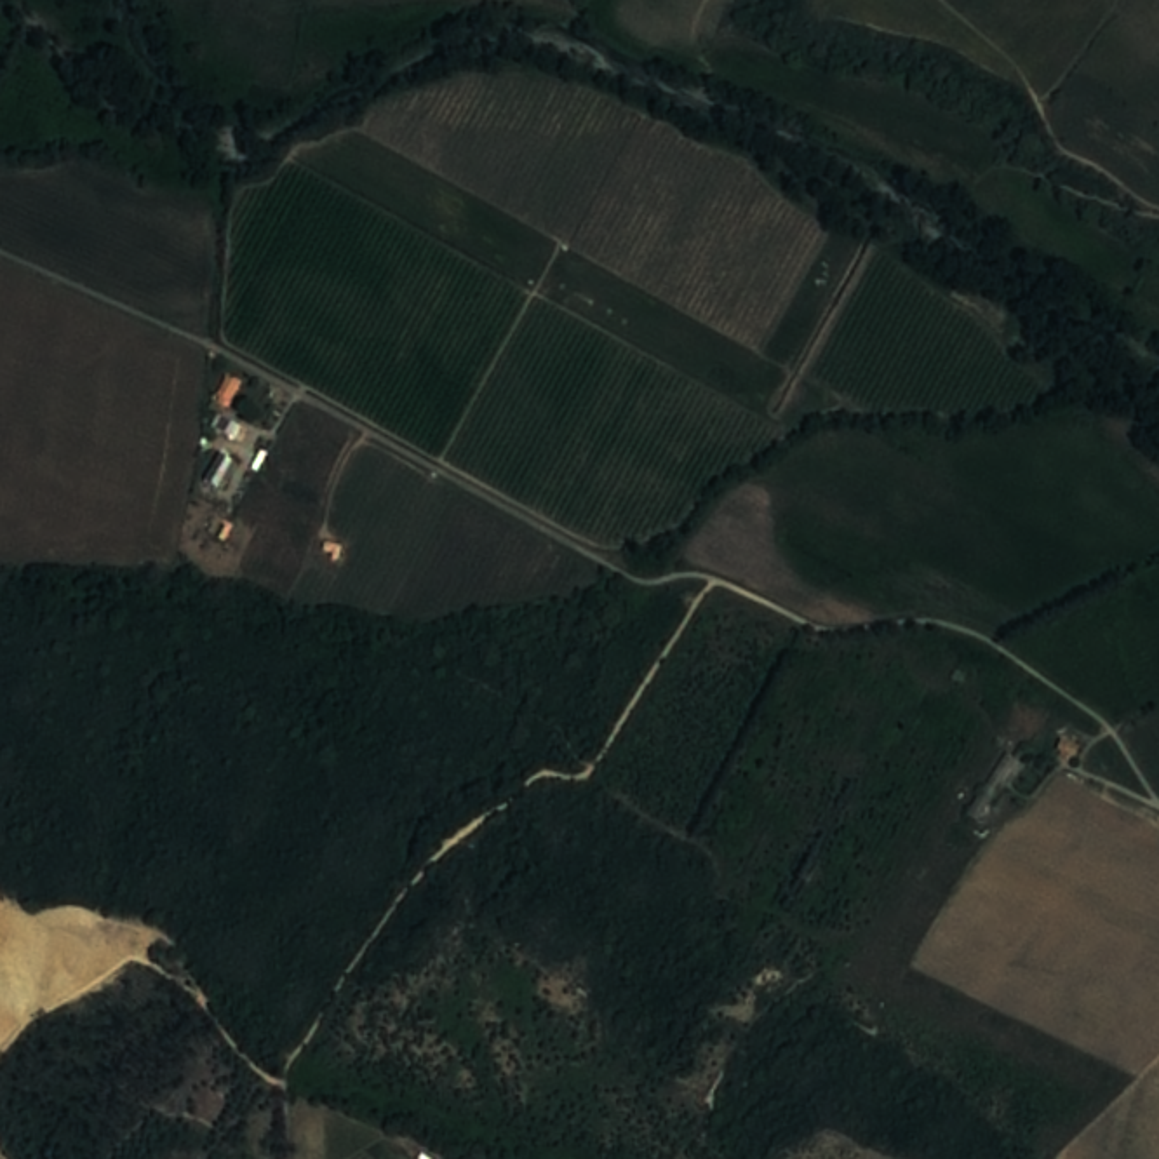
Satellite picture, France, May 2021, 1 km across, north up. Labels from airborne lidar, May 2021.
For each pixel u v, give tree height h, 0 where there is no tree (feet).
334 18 0
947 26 0
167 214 0
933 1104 17
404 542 0
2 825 24
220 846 20
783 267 0
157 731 22
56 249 0
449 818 19
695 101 0
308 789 22
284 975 18
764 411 0
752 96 51
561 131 0
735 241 0
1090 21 0
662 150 0
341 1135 0
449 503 0
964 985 0
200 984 34
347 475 0
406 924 21
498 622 36
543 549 0
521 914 24
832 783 19
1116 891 0
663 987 21
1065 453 0
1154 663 0
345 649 36
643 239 0
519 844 40
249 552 0
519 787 41
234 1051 42
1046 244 0
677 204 0
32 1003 0
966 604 0
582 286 0
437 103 0
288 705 22
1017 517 0
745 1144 27
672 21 0
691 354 0
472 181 0
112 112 43
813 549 0
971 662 19
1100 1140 0
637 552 83
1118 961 0
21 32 46
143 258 0
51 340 0
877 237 51
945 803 0
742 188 0
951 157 0
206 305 0
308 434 0
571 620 29
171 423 0
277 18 0
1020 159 45
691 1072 19
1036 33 0
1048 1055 0
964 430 77
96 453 0
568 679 20
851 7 0
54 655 18
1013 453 0
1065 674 0
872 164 28
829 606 0
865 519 0
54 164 19
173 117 85
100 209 0
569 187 0
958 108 57
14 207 0
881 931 0
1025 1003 0
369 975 24
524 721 35
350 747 26
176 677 38
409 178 0
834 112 0
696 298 0
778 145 86
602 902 32
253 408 47
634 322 0
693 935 20
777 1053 25
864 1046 30
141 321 0
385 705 29
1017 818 0
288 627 36
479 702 20
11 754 29
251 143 86
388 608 0
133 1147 31
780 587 0
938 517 0
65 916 0
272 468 0
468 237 0
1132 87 0
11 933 0
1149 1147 0
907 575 0
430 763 18
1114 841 0
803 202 24
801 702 0
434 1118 21
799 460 0
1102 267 0
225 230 33
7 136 0
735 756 51
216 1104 0
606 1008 24
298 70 0
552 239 0
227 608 23
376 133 0
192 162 26
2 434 0
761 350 0
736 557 0
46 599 25
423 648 20
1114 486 0
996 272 86
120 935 0
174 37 26
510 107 0
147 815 37
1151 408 68
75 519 0
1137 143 0
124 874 23
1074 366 72
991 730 0
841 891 22
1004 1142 35
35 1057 69
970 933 0
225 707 20
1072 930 0
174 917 30
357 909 20
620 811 21
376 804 19
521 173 0
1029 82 0
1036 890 0
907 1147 25
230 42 0
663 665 24
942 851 0
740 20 35
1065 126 0
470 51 78
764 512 0
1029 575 0
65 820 22
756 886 19
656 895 17
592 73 24
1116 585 79
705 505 33
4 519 0
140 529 0
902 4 0
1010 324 0
